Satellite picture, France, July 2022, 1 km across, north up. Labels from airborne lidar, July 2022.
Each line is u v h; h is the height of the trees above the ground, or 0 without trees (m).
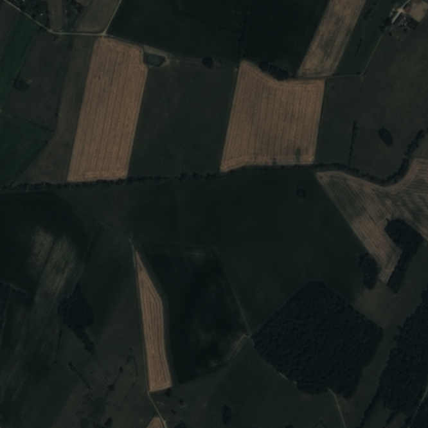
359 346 24
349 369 26
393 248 0
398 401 16
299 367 23
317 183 0
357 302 0
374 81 0
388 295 0
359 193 0
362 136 0
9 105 0
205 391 0
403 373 25
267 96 0
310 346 27
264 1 0
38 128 0
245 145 0
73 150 0
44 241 0
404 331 25
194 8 0
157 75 0
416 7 0
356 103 0
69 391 0
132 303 0
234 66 0
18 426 0
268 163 0
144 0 0
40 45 0
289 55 0
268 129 0
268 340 18
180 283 0
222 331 0
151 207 0
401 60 0
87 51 0
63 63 0
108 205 0
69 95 0
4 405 0
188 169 0
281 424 0
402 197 0
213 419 0
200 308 0
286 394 0
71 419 0
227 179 0
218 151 0
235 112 0
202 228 0
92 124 0
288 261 0
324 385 18
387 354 0
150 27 0
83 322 24
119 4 0
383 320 0
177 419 0
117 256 0
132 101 0
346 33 0
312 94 0
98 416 0
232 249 0
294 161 0
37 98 0
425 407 17
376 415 0
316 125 0
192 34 0
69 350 0
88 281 0
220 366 0
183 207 0
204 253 0
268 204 0
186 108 0
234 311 0
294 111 0
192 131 0
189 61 0
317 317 24
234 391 0
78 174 0
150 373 0
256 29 0
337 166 13
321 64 0
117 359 0
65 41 0
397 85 0
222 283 0
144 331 0
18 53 0
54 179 0
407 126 0
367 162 0
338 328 24
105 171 0
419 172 0
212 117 0
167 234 0
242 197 0
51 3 0
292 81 0
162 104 0
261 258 0
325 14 0
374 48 0
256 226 0
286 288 0
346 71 0
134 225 0
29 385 0
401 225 18
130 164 0
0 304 8
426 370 21
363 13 0
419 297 0
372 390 0
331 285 0
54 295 0
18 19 0
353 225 0
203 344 0
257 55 0
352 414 0
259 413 0
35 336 0
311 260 0
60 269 0
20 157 0
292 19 0
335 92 0
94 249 0
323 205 0
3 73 0
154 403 0
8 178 0
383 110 0
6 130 0
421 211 0
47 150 0
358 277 0
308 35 0
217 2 0
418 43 0
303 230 0
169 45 0
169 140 0
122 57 0
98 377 0
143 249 0
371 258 12
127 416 0
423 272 0
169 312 0
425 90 0
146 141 0
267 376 0
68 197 0
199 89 0
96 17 0
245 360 0
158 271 0
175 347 0
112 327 0
